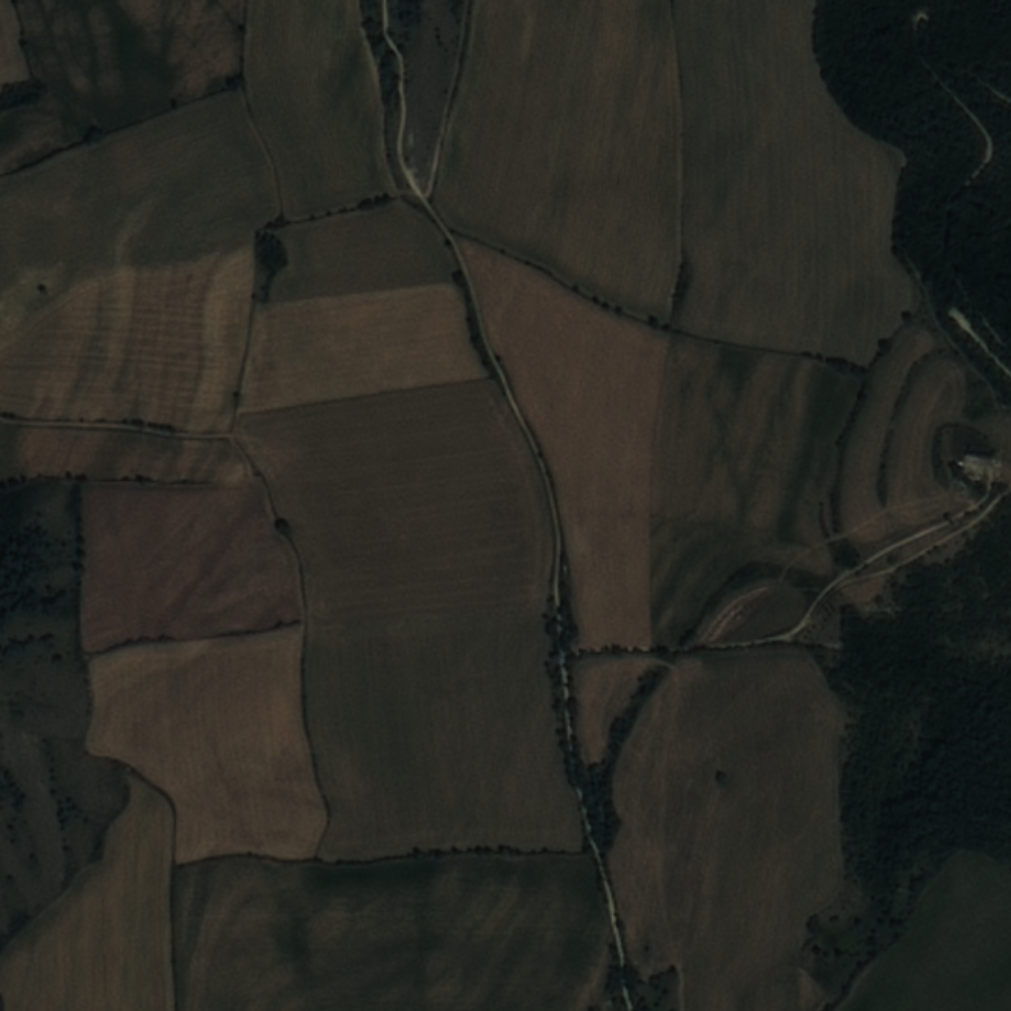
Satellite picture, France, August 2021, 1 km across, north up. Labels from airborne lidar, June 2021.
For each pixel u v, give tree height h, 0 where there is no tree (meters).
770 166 0
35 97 11
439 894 0
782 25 0
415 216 0
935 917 0
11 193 0
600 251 0
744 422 0
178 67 0
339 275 0
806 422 0
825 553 0
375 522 0
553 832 0
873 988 0
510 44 0
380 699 0
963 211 23
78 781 0
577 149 0
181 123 0
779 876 0
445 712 0
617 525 0
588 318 0
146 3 0
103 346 0
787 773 0
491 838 0
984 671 10
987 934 0
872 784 8
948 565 7
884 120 12
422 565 0
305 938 0
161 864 0
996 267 20
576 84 0
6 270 0
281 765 0
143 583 0
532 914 0
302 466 0
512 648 0
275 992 0
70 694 0
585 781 9
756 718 0
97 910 0
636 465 0
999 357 6
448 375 0
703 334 0
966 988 0
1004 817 12
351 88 0
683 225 0
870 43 18
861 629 12
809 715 0
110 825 0
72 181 0
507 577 0
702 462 0
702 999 0
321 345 0
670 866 0
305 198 0
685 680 0
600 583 0
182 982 0
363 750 0
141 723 0
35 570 13
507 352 0
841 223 0
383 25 6
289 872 0
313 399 0
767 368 0
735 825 0
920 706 11
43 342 0
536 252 0
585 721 0
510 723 0
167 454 0
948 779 7
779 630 0
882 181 0
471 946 0
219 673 0
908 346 0
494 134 0
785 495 0
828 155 0
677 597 0
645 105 0
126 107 0
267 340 0
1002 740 6
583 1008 0
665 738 0
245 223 0
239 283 0
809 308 0
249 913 0
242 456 0
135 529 0
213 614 0
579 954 0
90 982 0
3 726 0
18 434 0
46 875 0
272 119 0
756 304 0
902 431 0
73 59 0
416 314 0
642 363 0
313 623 0
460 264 0
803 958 0
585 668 0
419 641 0
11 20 0
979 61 5
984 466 0
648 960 0
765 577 0
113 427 0
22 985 0
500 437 0
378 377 0
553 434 0
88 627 0
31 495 0
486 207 0
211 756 0
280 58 0
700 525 0
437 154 0
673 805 0
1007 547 6
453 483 0
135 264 0
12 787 9
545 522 0
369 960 0
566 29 0
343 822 0
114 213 0
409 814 0
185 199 0
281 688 0
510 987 0
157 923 0
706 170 0
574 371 0
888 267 0
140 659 0
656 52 0
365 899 0
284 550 0
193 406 0
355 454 0
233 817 0
